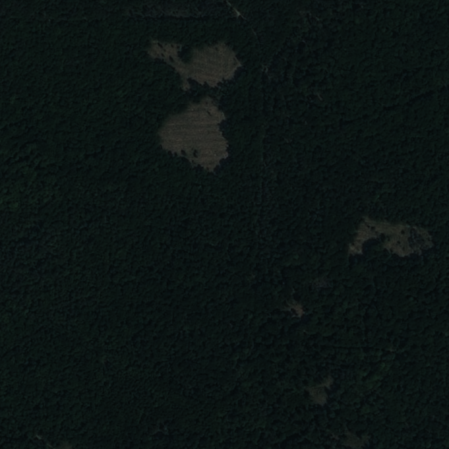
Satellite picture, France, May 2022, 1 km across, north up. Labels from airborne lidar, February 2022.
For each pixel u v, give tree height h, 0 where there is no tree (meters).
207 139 0
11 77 23
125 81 24
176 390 20
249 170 22
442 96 17
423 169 23
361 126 23
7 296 22
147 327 25
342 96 27
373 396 29
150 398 29
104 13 24
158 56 0
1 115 28
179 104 17
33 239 25
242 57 23
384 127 20
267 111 28
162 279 22
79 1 29
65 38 22
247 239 22
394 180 26
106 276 23
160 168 22
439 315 31
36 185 27
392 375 27
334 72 29
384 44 25
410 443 31
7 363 25
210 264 24
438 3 25
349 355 29
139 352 26
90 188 21
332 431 33
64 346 23
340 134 24
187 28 18
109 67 21
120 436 20
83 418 21
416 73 27
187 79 0
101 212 23
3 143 28
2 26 26
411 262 18
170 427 21
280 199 24
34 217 23
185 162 20
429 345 30
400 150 22
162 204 20
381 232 0
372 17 28
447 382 26
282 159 26
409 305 26
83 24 20
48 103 29
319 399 0
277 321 28
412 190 26
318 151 25
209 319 25
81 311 22
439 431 27
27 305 22
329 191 26
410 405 26
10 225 22
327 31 30
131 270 22
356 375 36
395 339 29
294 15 29
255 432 27
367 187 25
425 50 27
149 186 23
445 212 24
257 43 21
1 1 30
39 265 29
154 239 23
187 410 31
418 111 20
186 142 0
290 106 28
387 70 28
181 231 24
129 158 21
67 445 0
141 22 20
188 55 19
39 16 26
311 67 28
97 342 24
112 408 22
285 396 13
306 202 28
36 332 24
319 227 28
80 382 23
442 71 27
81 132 25
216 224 22
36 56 23
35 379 26
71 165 27
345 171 24
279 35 24
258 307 28
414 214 23
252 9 21
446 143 21
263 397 26
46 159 31
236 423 27
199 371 23
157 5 21
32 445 19
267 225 22
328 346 25
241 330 29
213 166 0
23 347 23
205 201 23
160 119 25
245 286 28
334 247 27
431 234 22
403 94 22
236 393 28
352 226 18
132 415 22
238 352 28
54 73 20
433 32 27
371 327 26
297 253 29
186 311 22
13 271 28
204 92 20
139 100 24
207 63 0
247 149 24
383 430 26
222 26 20
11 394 26
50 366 22
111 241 23
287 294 27
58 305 19
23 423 19
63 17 22
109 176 24
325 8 29
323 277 28
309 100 18
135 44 21
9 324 22
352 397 34
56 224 24
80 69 20
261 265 26
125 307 20
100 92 28
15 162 29
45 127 25
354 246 23
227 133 24
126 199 25
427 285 28
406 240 0
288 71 31
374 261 27
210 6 25
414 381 25
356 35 26
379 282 31
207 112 0
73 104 26
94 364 24
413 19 28
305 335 28
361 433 28
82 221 27
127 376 19
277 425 33
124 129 24
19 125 26
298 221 28
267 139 24
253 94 26
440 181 24
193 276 25
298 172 25
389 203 24
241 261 24
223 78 0
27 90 22
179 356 21
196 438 24
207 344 26
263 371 28
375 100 24
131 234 24
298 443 37
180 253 22
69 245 25
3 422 24
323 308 28
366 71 26
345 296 30
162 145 0
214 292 24
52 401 23
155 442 24
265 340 30
